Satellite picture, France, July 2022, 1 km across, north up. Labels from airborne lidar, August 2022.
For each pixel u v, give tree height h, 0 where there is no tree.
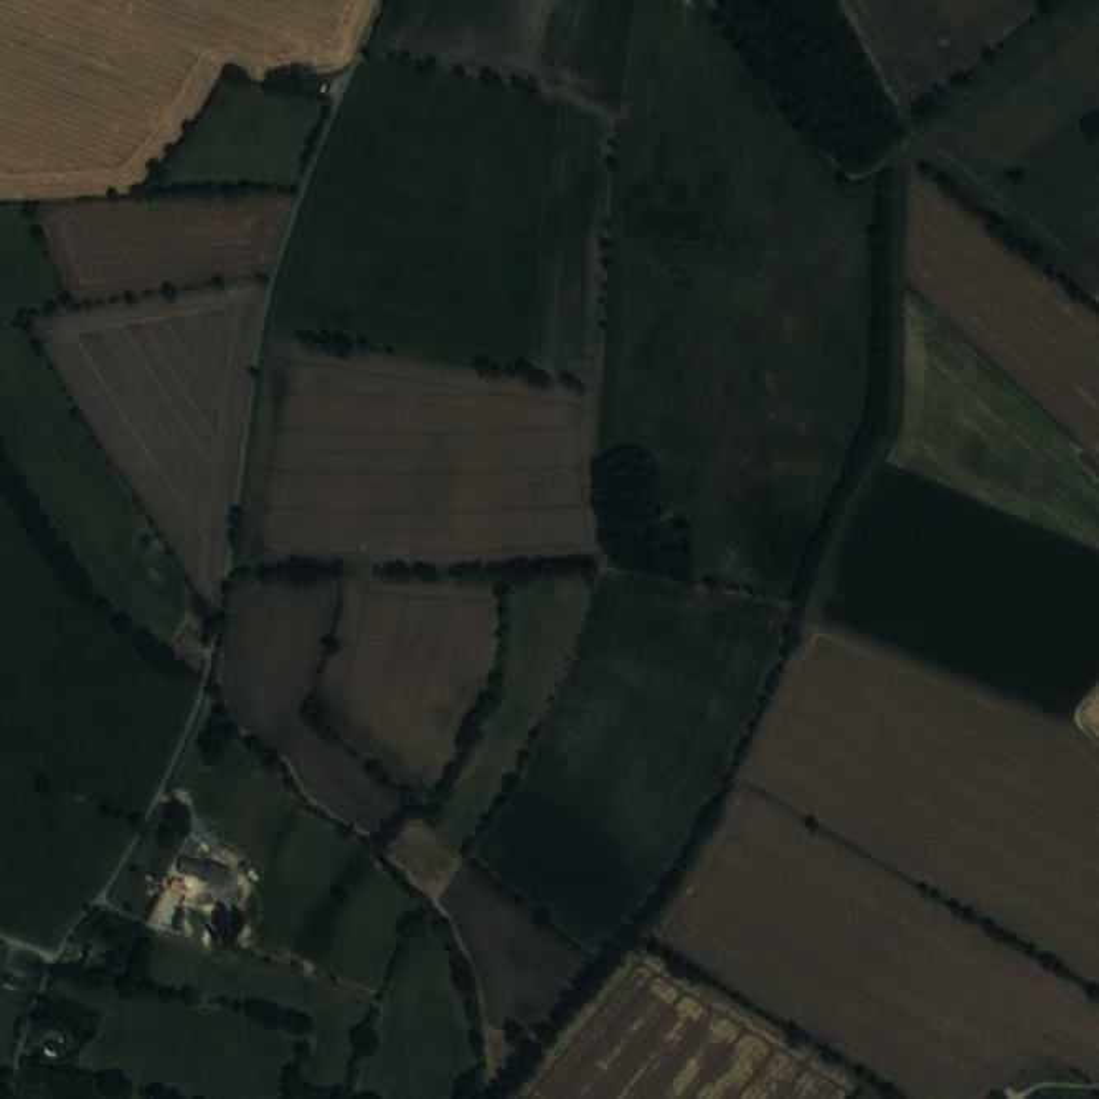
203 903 0
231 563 0
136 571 0
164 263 0
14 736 0
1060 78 0
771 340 0
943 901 6
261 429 0
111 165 0
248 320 0
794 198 0
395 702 0
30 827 0
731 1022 0
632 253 0
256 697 0
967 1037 0
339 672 0
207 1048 0
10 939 0
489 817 9
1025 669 0
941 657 0
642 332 0
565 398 0
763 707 9
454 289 0
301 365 0
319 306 0
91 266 0
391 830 15
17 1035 7
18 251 0
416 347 0
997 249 0
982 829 0
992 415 0
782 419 0
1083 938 0
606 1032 0
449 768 10
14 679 0
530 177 0
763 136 0
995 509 0
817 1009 0
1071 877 0
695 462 0
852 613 0
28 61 0
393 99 0
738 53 13
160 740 0
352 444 0
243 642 0
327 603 0
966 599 0
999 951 0
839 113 16
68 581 36
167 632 0
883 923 0
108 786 0
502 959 0
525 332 0
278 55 0
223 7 0
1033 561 0
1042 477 0
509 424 0
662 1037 0
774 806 0
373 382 0
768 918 0
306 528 0
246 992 0
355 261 0
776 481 0
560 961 0
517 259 0
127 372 0
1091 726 0
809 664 0
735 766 7
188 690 0
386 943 0
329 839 0
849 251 0
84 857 0
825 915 0
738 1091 0
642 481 15
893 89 0
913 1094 0
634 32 0
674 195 0
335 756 0
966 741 0
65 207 0
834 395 0
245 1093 0
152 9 0
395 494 0
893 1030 0
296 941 0
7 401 0
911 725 0
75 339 0
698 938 0
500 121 0
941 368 0
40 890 0
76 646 0
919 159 0
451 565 0
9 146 0
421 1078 0
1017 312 0
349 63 0
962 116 0
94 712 0
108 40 0
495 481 0
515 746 0
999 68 0
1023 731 0
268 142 0
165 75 0
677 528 17
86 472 0
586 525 0
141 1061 0
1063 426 0
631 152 0
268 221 0
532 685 0
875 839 0
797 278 0
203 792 0
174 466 0
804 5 20
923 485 0
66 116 0
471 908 0
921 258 0
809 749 0
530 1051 20
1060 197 0
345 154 0
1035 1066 0
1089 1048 0
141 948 14
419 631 0
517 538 0
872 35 0
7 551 0
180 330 0
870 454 8
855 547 0
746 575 0
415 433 0
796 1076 0
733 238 0
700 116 0
